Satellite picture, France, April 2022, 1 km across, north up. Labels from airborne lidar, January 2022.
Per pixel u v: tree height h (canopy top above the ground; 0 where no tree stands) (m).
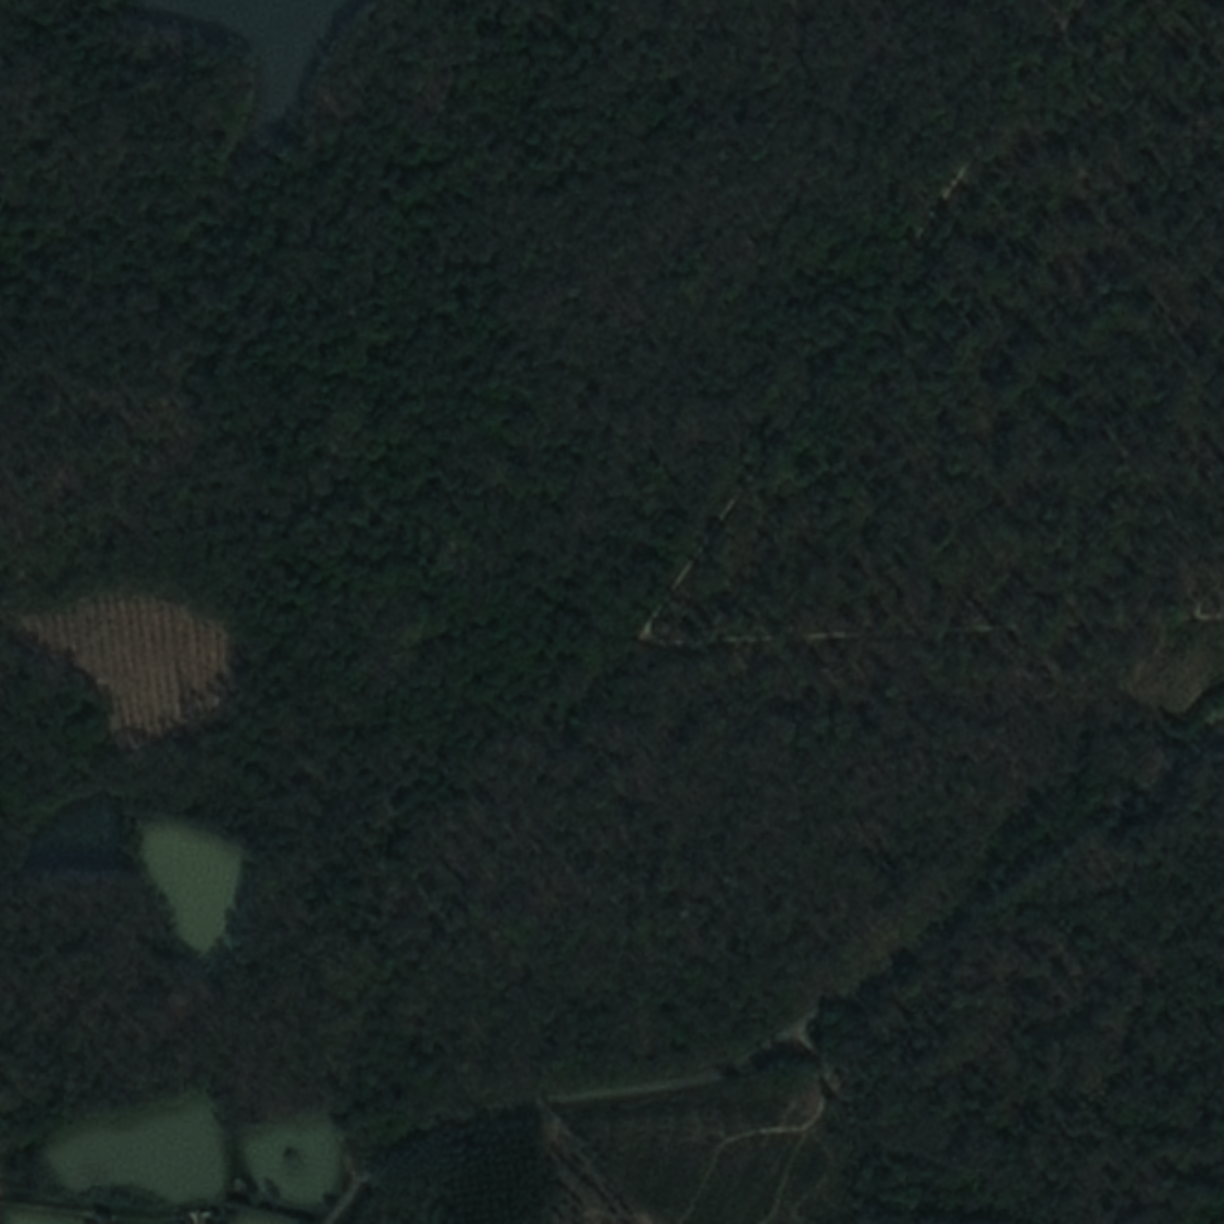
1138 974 32
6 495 28
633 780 31
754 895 27
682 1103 0
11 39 26
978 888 21
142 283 26
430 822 26
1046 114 32
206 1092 17
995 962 32
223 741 28
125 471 27
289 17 0
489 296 26
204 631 0
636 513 27
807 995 27
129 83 28
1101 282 25
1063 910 18
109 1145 0
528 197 27
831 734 26
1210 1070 34
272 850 27
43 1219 0
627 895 32
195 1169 0
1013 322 35
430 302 27
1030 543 32
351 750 26
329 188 27
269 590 24
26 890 32
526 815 24
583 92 28
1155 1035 26
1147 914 28
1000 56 25
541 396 29
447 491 26
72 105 25
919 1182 12
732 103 29
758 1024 29
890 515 34
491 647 22
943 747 29
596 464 28
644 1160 0
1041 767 30
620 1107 0
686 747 25
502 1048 31
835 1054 29
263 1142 0
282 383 27
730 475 30
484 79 25
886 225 23
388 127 25
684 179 23
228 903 0
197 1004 34
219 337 29
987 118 27
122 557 28
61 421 30
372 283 26
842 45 20
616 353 28
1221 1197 24
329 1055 33
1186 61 37
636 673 31
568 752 25
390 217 28
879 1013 34
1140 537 27
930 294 26
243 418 29
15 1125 24
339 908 24
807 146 26
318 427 27
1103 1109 7
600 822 27
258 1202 7
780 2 24
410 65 27
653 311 29
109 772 22
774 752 30
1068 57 32
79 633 0
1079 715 25
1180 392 36
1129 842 28
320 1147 0
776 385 31
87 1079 26
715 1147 0
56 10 18
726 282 29
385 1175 20
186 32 21
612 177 29
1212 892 27
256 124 0
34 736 29
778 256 28
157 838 0
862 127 25
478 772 22
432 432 26
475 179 23
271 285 31
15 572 30
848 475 35
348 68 20
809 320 27
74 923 33
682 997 25
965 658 30
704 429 30
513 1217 23
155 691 0
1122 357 36
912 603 32
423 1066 31
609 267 29
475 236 24
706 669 33
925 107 28
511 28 24
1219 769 27
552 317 29
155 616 0
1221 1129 30
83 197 28
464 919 23
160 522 30
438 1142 25
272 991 32
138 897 27
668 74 25
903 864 22
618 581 27
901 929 27
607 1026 29
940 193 30
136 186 26
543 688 25
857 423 30
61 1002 31
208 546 26
